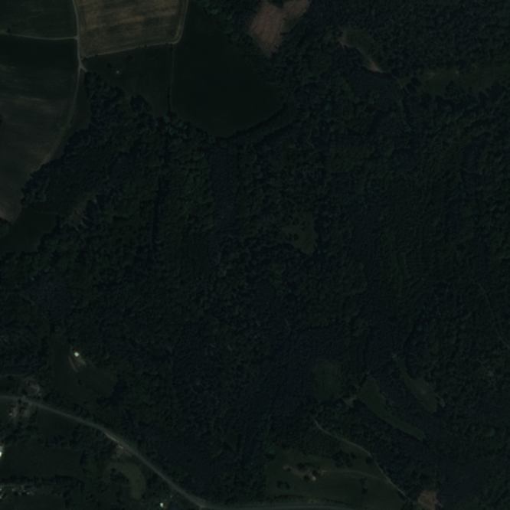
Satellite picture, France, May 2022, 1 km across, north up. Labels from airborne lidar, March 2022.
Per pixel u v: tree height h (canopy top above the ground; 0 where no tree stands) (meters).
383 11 21
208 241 21
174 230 32
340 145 32
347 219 28
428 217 7
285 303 22
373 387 0
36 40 0
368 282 19
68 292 29
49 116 0
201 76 0
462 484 24
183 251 20
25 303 23
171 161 34
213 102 0
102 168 17
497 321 12
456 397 21
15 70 0
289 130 34
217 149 30
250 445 21
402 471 22
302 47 19
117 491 0
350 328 15
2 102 0
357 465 0
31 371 20
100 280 0
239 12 27
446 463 23
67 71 0
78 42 0
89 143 21
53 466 0
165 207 39
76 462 0
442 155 28
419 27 18
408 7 17
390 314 8
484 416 18
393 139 36
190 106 0
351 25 24
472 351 21
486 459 24
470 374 15
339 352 24
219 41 0
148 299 24
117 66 0
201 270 19
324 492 0
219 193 30
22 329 28
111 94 19
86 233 34
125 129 20
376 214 25
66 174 21
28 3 0
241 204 31
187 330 26
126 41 0
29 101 0
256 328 27
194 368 26
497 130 12
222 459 31
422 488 28
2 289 22
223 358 21
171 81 0
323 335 28
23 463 0
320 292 23
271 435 20
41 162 0
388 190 9
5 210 0
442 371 30
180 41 0
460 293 15
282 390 27
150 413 29
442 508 26
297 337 37
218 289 30
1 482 7
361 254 26
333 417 16
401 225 10
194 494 19
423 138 38
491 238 33
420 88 32
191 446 27
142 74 0
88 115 0
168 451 26
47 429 0
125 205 35
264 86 0
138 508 0
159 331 30
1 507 0
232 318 21
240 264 22
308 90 33
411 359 29
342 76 31
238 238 25
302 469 19
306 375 25
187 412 25
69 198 18
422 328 31
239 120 0
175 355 23
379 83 23
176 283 26
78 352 19
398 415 19
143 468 0
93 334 25
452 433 18
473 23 26
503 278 12
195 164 35
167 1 0
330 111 32
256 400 21
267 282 31
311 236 0
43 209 18
